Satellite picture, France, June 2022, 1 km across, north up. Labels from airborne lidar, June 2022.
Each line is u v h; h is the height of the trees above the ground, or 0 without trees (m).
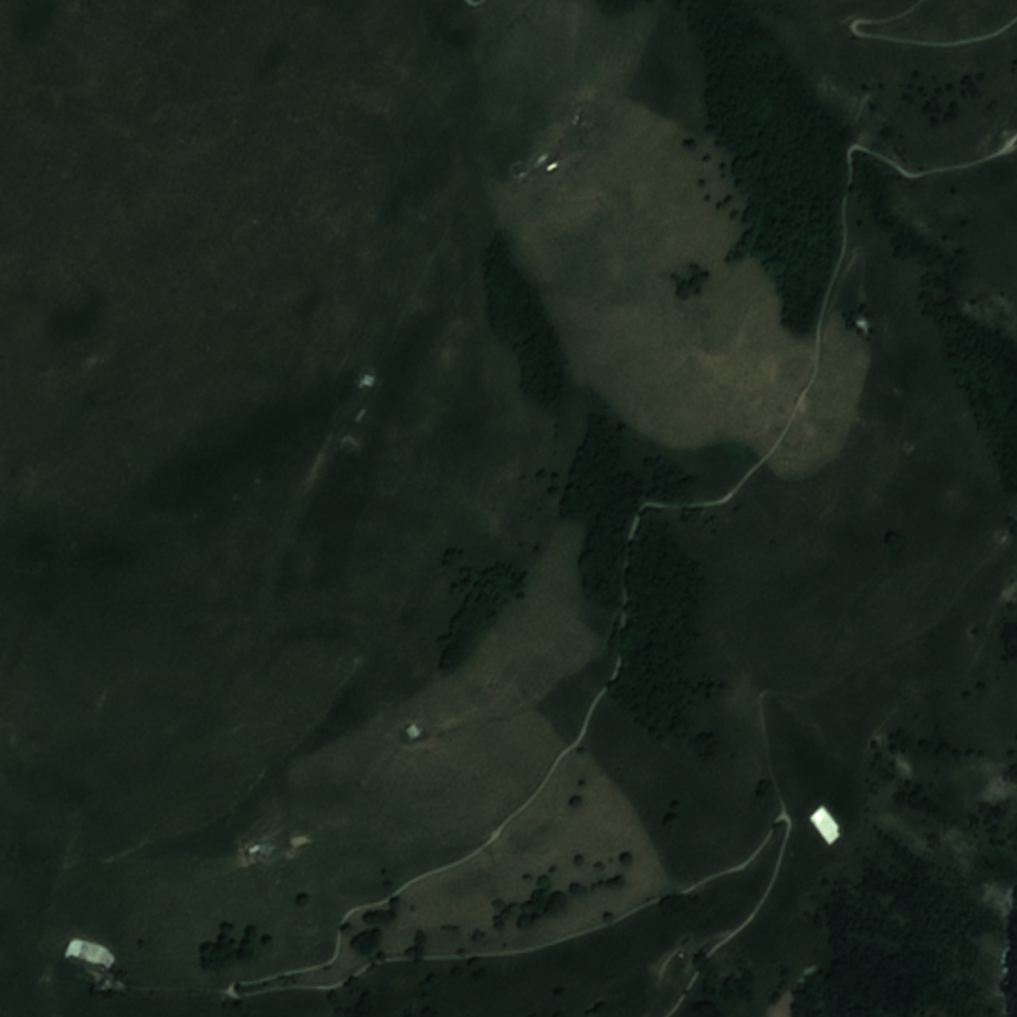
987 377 13
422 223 0
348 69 0
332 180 0
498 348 0
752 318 0
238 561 0
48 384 0
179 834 0
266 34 0
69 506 0
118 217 0
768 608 0
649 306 0
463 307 0
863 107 0
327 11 0
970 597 0
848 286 0
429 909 0
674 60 0
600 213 0
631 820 0
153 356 0
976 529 0
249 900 0
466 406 0
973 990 13
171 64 0
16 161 0
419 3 0
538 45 0
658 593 15
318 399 0
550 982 0
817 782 0
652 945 0
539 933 0
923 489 0
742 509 7
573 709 0
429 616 0
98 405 0
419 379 0
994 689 0
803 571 0
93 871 0
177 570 0
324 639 0
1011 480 8
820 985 8
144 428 0
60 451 0
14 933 0
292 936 0
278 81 0
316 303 0
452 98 0
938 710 0
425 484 0
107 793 0
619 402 0
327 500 0
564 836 0
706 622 0
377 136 0
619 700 14
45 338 0
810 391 0
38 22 0
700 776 0
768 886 0
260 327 0
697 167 0
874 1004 17
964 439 0
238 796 0
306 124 0
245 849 0
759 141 12
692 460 0
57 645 0
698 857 0
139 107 0
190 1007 0
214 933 0
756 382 0
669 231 0
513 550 0
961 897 9
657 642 15
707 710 0
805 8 0
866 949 9
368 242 0
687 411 0
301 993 0
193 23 0
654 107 0
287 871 0
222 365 0
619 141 0
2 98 0
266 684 0
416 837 0
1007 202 0
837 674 0
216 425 0
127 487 0
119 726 0
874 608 0
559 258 0
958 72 0
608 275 0
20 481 0
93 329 0
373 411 0
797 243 13
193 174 0
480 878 0
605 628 0
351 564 0
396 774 0
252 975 0
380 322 0
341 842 0
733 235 0
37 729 0
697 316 0
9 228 0
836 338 0
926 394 0
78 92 0
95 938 0
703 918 0
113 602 0
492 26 0
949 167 0
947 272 9
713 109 11
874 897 12
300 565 0
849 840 0
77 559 0
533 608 0
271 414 0
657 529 12
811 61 0
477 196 0
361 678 0
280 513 0
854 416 0
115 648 0
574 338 0
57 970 0
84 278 0
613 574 14
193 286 0
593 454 12
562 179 0
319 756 0
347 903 0
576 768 0
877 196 9
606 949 0
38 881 0
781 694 0
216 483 0
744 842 0
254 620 0
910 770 0
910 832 0
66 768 0
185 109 0
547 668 0
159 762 0
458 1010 0
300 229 0
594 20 0
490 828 0
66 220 0
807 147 11
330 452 0
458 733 0
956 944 14
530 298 14
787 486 0
